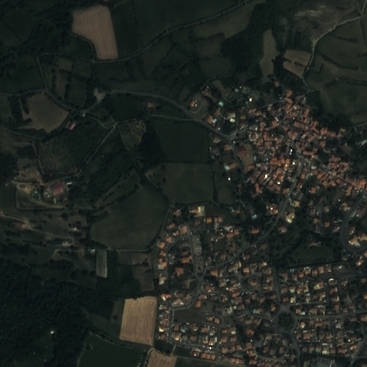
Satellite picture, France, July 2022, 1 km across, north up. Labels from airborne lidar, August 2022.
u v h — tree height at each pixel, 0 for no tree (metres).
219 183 0
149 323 0
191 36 7
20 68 0
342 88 0
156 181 0
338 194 0
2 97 0
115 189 0
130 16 0
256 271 9
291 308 10
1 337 11
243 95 6
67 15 18
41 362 0
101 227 0
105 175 7
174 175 0
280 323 6
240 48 13
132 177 0
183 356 0
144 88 0
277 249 9
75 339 19
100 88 14
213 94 14
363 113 0
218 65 0
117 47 0
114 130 0
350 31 0
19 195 0
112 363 0
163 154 10
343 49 0
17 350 18
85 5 9
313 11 0
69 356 27
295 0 0
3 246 14
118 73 0
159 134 0
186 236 0
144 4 0
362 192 0
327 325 7
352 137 7
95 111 0
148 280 0
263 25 10
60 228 0
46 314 19
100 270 0
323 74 0
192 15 0
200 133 0
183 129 0
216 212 0
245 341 9
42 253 0
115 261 9
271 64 0
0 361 12
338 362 10
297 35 8
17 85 0
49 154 9
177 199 0
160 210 0
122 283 11
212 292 0
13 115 6
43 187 11
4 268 21
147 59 0
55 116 0
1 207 0
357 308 8
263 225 9
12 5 5
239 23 0
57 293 25
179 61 0
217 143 8
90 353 0
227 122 10
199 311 0
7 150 0
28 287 23
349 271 0
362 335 13
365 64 0
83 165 10
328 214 0
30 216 0
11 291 17
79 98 0
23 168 6
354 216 0
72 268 7
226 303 0
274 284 0
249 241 9
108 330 0
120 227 0
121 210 0
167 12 0
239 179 6
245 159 0
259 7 6
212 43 0
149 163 7
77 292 12
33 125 0
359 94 0
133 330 0
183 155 0
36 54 7
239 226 9
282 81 6
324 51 0
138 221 0
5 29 0
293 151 10
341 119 6
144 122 11
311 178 0
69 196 7
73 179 9
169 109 0
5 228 0
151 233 0
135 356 0
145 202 0
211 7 0
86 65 0
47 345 0
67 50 0
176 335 0
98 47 0
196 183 0
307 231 10
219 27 0
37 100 0
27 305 18
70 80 15
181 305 0
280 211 0
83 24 0
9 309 13
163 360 0
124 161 7
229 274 6
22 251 14
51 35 0
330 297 7
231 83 6
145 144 11
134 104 0
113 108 8
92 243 12
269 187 0
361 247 0
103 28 0
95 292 7
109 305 10
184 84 6
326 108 0
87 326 11
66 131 10
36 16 7
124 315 0
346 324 9
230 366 0
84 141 9
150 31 0
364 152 7
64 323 16
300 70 0
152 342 0
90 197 6
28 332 24
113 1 6
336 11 0
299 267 6
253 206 6
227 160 0
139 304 0
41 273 0
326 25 0
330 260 6
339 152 13
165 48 0
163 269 0
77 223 9
